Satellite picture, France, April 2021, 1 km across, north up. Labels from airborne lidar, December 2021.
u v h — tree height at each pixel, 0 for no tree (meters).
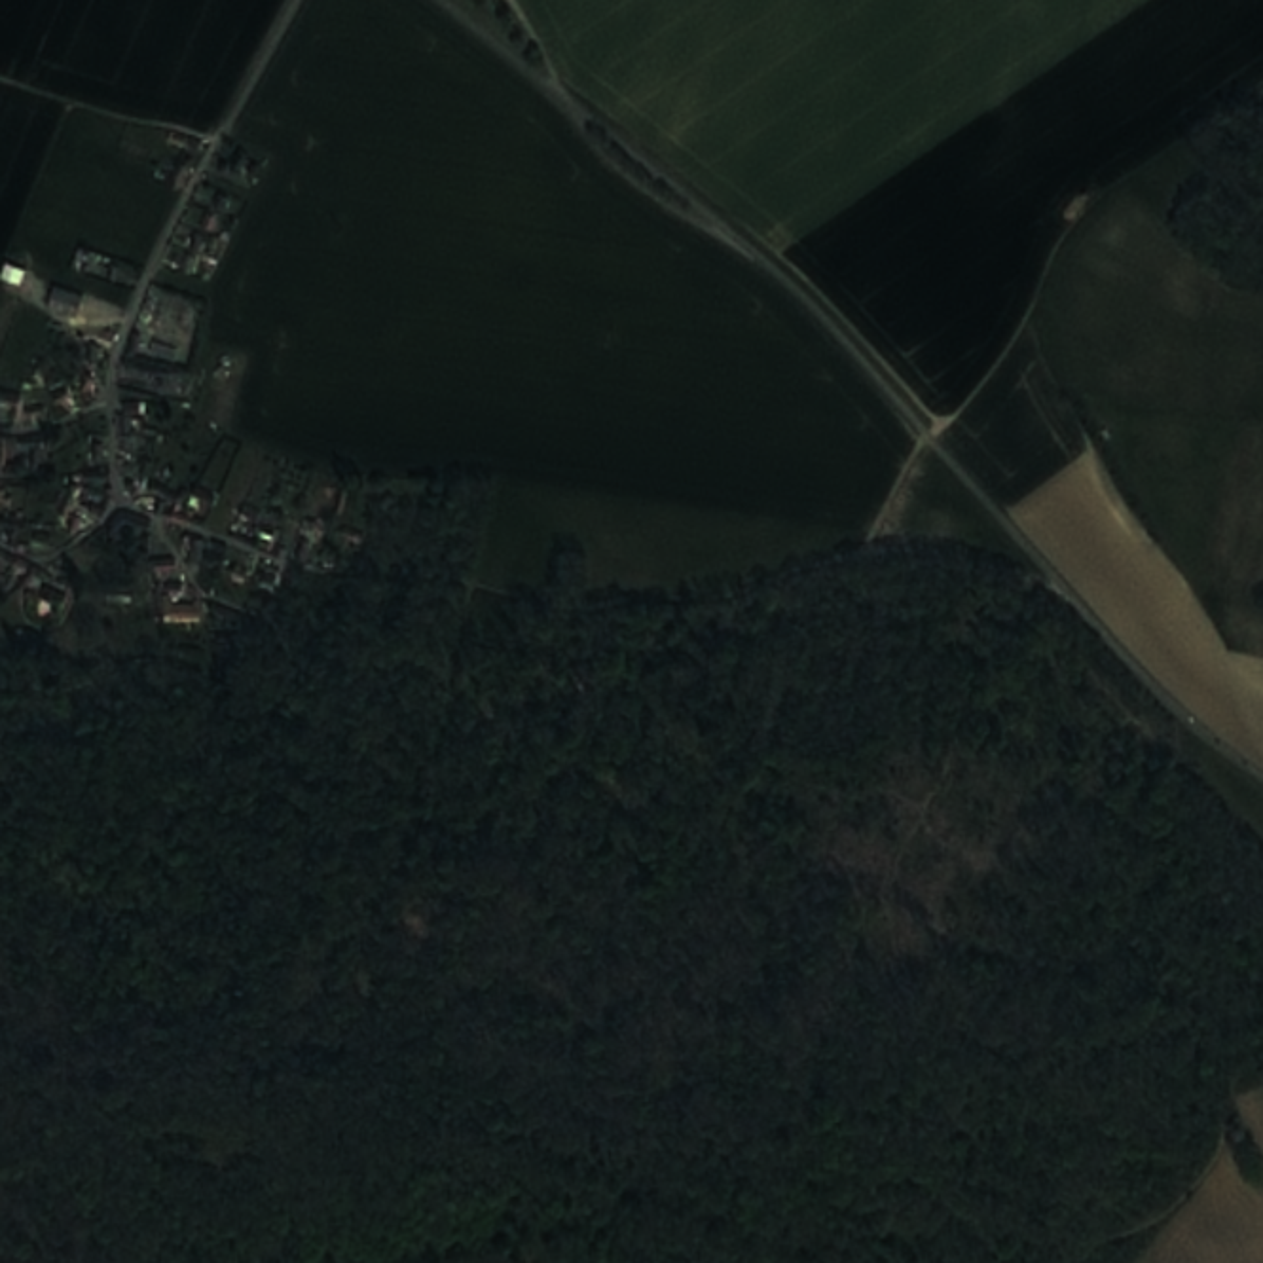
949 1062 23
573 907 22
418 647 27
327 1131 23
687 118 0
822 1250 9
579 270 0
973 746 26
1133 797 20
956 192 0
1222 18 0
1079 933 29
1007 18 0
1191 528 0
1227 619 0
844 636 19
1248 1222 0
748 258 0
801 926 27
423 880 22
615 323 0
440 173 0
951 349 0
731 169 0
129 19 0
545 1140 12
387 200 0
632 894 18
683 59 0
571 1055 27
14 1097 9
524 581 0
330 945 19
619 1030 29
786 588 19
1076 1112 22
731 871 25
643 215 0
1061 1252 21
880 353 0
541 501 0
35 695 26
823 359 0
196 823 28
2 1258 21
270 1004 24
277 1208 14
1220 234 23
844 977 26
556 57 0
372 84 0
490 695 11
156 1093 18
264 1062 13
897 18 0
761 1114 19
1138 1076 29
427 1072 21
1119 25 0
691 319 0
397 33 0
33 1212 22
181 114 0
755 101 0
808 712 22
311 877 23
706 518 0
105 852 26
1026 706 17
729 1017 23
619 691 25
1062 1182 23
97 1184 22
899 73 0
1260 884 25
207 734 29
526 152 0
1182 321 0
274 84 0
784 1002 26
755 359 0
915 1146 26
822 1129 24
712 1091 29
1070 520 0
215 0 0
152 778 29
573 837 25
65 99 0
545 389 0
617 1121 24
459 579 19
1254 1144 16
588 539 0
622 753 24
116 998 22
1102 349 0
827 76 0
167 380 0
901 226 0
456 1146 15
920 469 0
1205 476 0
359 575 23
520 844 23
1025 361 0
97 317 0
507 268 0
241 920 24
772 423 0
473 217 0
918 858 0
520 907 24
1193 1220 0
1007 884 22
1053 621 29
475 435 0
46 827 27
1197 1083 22
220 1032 24
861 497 0
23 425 0
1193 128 16
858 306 0
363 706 28
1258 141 19
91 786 24
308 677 28
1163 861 16
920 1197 28
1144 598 0
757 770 25
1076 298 0
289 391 0
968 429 0
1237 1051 21
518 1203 19
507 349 0
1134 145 0
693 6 0
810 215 0
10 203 0
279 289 0
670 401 0
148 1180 21
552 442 0
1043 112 0
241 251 0
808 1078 15
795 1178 21
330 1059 18
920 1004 30
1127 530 0
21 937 17
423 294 0
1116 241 0
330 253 0
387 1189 19
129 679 22
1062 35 0
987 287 0
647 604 17
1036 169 0
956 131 0
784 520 0
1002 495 0
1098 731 8
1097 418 0
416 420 0
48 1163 19
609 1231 26
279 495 8
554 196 0
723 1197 31
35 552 0
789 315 0
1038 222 0
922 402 0
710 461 0
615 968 28
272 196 0
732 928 22
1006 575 23
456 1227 21
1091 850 26
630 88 0
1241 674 0
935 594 26
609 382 0
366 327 0
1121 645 0
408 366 0
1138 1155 9
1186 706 0
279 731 29
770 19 0
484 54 0
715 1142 21
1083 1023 22
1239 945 19
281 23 0
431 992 19
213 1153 0
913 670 26
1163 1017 21
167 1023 25
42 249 0
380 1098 19
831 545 0
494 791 29
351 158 0
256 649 28
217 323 0
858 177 0
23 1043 13
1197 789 22
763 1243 25
